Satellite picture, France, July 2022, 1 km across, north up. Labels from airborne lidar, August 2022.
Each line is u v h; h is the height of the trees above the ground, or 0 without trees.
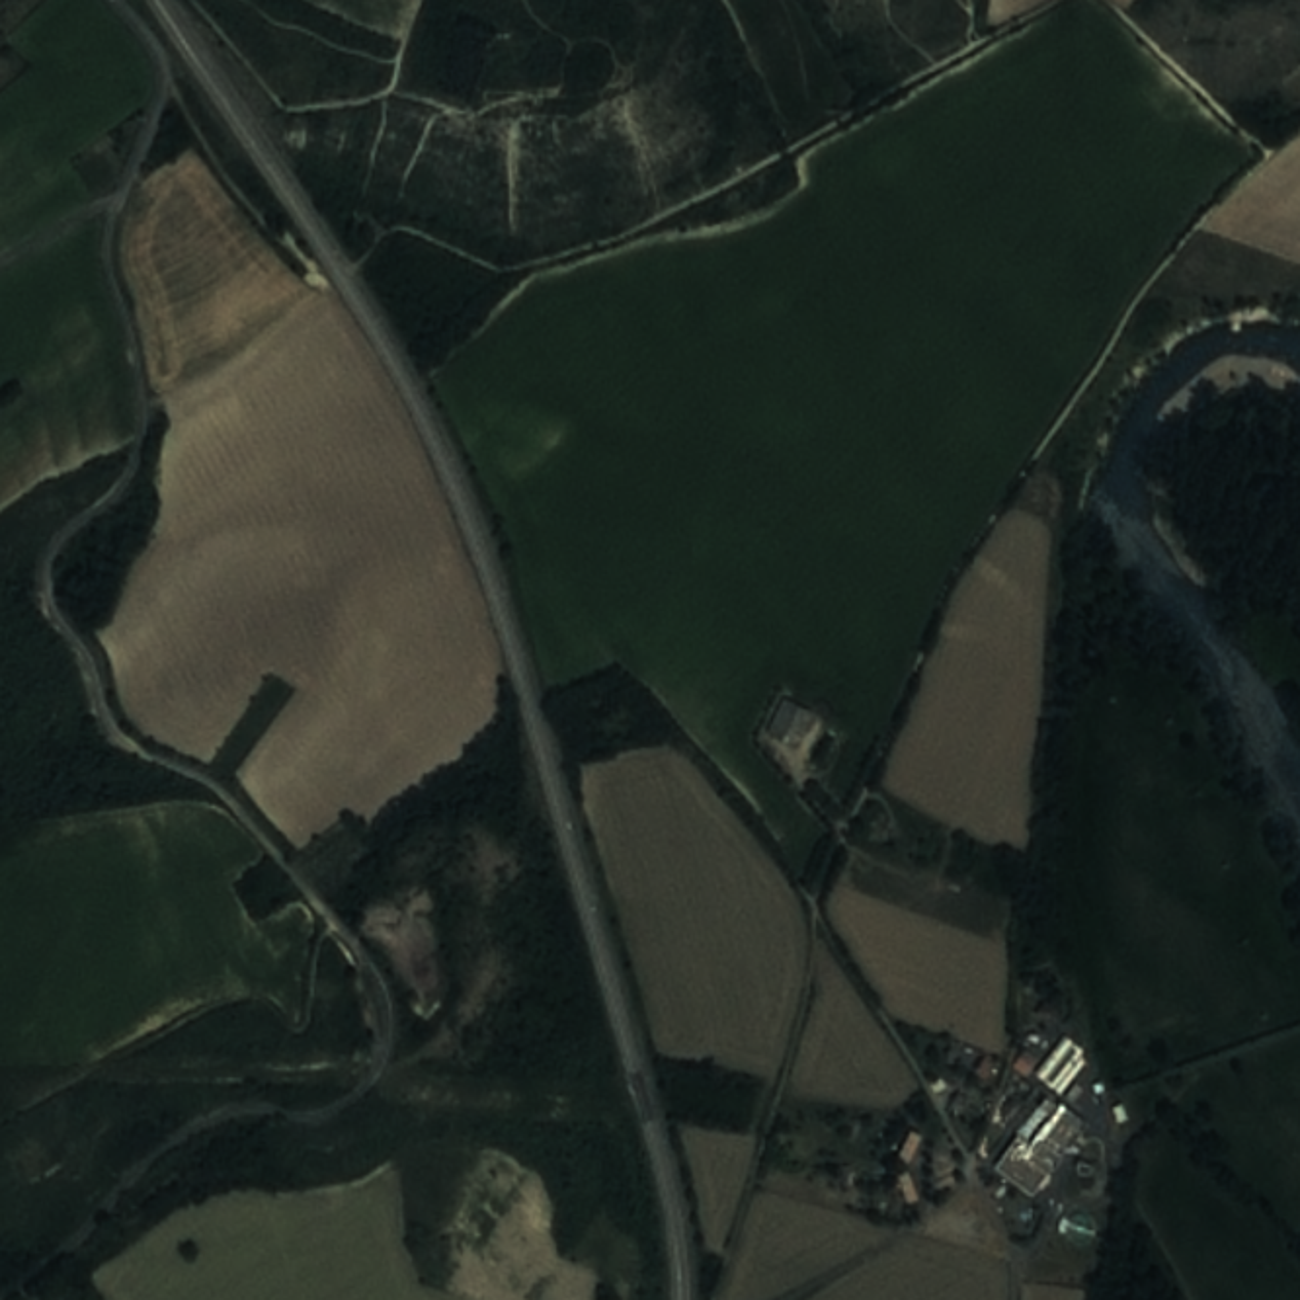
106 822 0
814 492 0
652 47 0
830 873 11
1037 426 0
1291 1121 0
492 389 0
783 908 0
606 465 0
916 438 0
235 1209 0
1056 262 0
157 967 0
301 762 0
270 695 0
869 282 0
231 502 0
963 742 0
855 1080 0
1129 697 0
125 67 0
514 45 0
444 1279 0
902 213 0
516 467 0
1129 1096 0
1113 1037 12
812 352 0
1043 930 14
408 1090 0
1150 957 0
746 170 0
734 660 0
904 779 0
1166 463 18
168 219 0
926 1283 0
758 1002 0
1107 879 0
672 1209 0
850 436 0
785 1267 0
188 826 0
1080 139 0
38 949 0
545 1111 0
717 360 0
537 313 0
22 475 0
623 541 0
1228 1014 0
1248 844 0
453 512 0
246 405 0
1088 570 14
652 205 0
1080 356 0
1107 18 0
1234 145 0
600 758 10
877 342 0
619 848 0
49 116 0
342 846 0
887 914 0
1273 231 0
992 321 0
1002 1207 0
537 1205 0
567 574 0
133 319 0
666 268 0
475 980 0
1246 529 22
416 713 0
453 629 0
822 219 0
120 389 0
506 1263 0
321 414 0
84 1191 0
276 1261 0
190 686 0
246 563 0
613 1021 0
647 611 0
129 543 15
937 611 9
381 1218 0
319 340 0
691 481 0
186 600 0
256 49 0
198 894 0
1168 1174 0
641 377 0
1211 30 0
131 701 0
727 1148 0
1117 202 0
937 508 0
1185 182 0
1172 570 0
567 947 7
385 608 0
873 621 0
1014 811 0
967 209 0
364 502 0
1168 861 0
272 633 0
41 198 0
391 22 0
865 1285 0
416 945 0
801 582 0
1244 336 0
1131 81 0
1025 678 0
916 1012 0
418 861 0
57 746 6
